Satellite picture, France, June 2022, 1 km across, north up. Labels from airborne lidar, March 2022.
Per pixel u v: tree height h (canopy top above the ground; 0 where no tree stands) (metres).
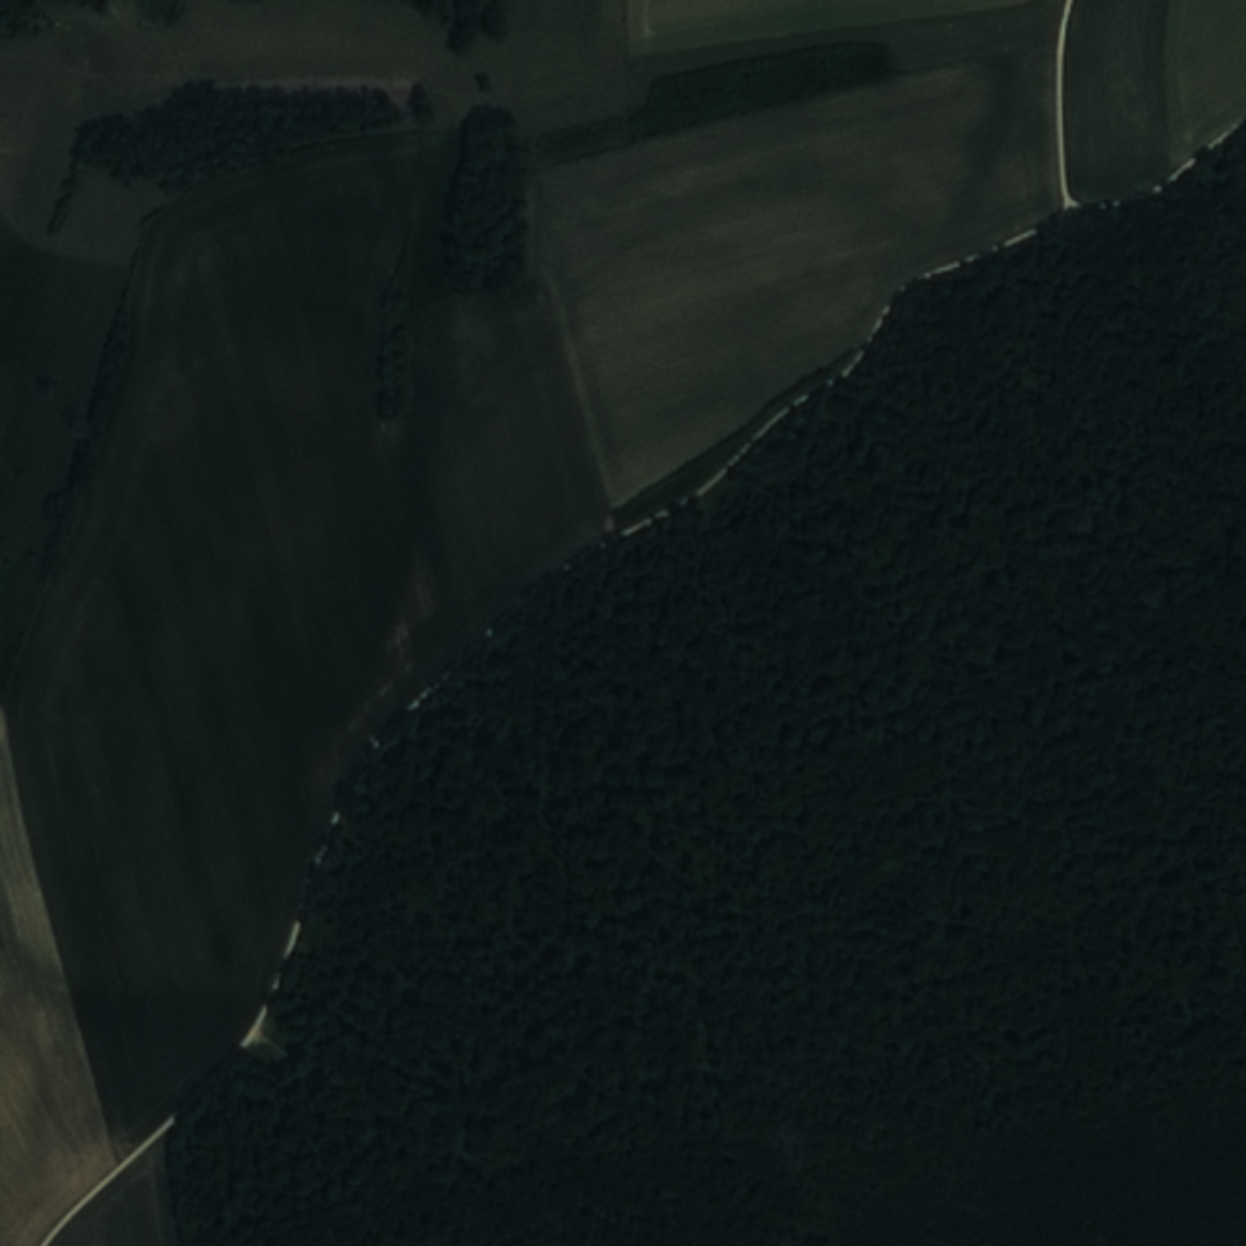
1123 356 20
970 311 19
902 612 19
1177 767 22
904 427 21
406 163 0
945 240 0
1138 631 23
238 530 0
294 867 0
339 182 0
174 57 0
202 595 0
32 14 6
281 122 26
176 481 0
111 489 0
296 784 0
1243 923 9
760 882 16
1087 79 0
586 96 0
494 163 17
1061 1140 10
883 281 0
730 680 16
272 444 0
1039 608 24
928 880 24
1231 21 0
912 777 21
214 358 0
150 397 0
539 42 0
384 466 0
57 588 0
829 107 0
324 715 0
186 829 0
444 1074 25
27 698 0
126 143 18
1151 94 0
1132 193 0
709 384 0
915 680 17
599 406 0
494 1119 26
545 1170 18
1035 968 10
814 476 18
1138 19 0
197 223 0
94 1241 0
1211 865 21
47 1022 0
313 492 0
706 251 0
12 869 0
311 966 6
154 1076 0
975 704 21
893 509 22
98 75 0
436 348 0
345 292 0
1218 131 0
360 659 0
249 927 0
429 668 0
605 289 0
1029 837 22
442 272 0
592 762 27
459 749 26
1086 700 22
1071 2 0
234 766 0
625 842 24
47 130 0
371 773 20
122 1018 0
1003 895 18
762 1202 19
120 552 0
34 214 0
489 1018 19
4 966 0
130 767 0
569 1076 22
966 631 20
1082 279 17
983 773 22
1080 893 20
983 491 20
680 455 0
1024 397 21
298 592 0
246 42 0
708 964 23
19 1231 0
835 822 21
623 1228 18
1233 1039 18
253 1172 18
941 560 19
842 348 0
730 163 0
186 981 0
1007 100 0
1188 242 18
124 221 0
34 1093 0
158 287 0
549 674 19
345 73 0
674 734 24
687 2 0
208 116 25
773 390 0
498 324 0
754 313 0
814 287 0
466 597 0
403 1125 20
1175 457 17
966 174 0
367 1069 23
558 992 22
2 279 0
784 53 0
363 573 0
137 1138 0
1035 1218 13
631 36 0
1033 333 16
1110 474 22
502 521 0
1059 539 24
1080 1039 9
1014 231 0
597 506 0
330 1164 17
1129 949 19
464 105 0
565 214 0
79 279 0
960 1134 8
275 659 0
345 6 0
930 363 18
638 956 18
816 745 24
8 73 0
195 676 0
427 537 0
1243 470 19
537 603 20
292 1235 17
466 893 20
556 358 0
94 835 0
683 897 13
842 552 24
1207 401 20
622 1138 19
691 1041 25
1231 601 23
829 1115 16
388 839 6
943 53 0
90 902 0
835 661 26
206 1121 22
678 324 0
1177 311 25
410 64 0
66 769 0
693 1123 23
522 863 21
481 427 0
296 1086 21
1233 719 21
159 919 0
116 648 0
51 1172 0
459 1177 18
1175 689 21
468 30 21
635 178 0
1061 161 0
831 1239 15
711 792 24
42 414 0
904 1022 15
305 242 0
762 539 11
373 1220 17
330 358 0
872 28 0
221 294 0
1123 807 23
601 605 23
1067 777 18
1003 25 0
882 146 0
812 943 22
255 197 0
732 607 15
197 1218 17
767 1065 21
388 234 0
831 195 0
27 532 0
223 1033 0
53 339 0
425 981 21
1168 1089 12
